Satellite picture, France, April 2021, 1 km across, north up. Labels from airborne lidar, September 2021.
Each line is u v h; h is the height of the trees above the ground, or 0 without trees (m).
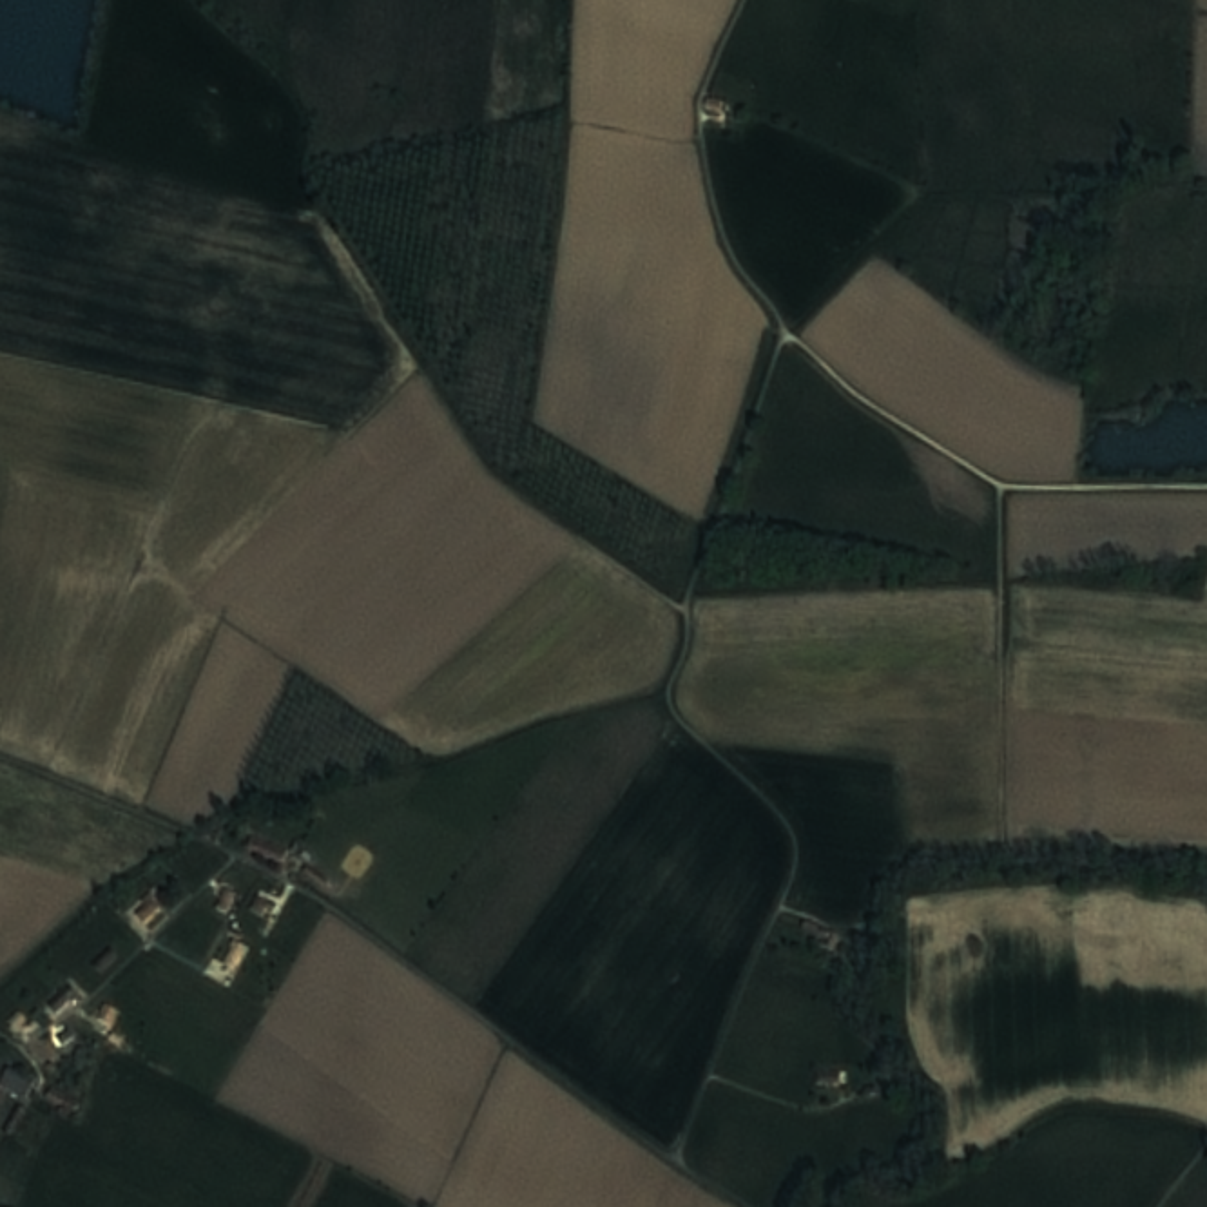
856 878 0
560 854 0
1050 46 0
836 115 0
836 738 0
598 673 0
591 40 0
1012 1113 0
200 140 0
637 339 0
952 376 0
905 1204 18
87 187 0
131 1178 0
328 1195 0
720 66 0
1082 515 0
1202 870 19
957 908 0
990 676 0
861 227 0
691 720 0
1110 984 0
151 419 0
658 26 0
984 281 0
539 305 11
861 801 0
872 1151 0
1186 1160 0
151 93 0
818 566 23
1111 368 0
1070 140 0
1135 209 0
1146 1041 0
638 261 0
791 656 0
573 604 0
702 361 0
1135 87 0
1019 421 0
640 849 0
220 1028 0
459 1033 0
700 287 0
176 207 0
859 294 0
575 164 0
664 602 0
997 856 17
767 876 0
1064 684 0
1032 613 0
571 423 0
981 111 0
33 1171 0
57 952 13
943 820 0
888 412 0
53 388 0
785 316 0
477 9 0
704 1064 0
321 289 0
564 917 0
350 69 0
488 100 0
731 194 0
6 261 0
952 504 0
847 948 8
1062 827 0
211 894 0
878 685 0
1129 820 0
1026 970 0
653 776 0
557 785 0
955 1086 0
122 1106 0
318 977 0
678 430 0
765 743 0
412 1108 0
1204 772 0
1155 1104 0
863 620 0
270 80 0
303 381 0
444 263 21
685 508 0
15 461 0
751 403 0
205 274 0
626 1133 0
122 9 0
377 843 0
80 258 0
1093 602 0
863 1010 15
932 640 0
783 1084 0
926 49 0
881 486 0
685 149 0
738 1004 0
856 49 0
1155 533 0
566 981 0
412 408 0
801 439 0
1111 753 0
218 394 0
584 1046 0
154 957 0
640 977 0
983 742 0
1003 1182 0
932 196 0
